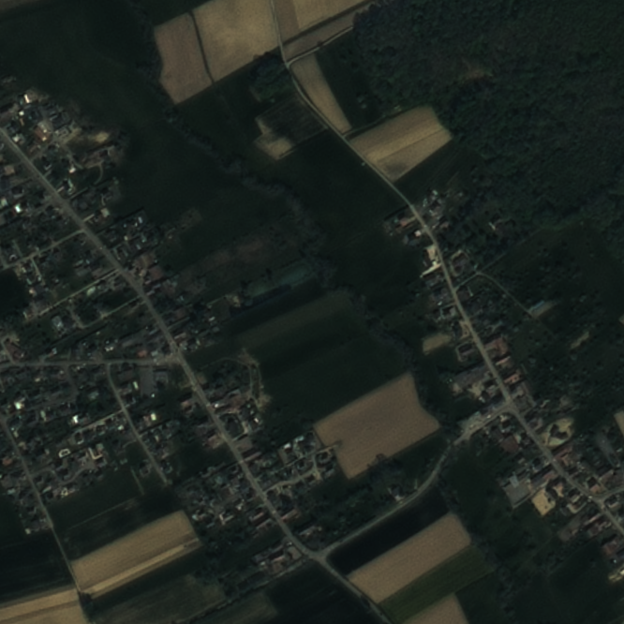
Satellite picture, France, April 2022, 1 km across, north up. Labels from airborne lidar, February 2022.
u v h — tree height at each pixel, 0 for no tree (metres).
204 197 0
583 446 7
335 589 0
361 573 0
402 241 0
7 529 0
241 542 15
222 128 0
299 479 0
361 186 0
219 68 0
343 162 0
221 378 14
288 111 0
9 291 0
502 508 0
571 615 0
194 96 0
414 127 0
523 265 0
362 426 0
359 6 0
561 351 0
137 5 14
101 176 0
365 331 0
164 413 8
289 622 0
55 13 0
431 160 0
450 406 0
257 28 0
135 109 0
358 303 18
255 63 0
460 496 0
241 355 0
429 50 31
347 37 0
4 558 0
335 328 0
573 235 0
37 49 0
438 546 0
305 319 0
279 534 0
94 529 0
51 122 0
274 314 0
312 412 0
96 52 0
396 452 0
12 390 7
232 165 19
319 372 0
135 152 0
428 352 0
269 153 0
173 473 0
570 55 22
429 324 0
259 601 0
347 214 0
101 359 0
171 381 0
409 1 26
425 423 0
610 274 0
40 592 0
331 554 0
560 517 0
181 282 0
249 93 0
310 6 0
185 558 0
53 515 0
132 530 0
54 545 0
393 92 27
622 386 6
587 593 0
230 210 0
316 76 0
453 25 28
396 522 0
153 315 0
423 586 0
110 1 0
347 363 0
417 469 0
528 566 0
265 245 0
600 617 0
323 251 0
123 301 0
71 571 0
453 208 0
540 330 0
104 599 0
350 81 0
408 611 0
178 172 0
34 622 0
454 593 0
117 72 0
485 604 0
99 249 0
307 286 0
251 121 0
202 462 0
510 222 6
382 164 0
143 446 0
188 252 0
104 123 0
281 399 0
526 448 18
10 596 0
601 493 0
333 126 0
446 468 18
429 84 27
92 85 0
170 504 0
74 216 0
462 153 0
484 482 0
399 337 17
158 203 0
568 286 0
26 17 0
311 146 0
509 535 0
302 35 0
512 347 7
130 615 0
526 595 0
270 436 9
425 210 0
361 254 0
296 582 0
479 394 0
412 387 0
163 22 0
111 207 0
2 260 0
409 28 27
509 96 29
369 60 24
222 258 0
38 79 0
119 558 0
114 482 0
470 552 0
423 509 0
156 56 20
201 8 0
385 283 0
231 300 0
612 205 30
